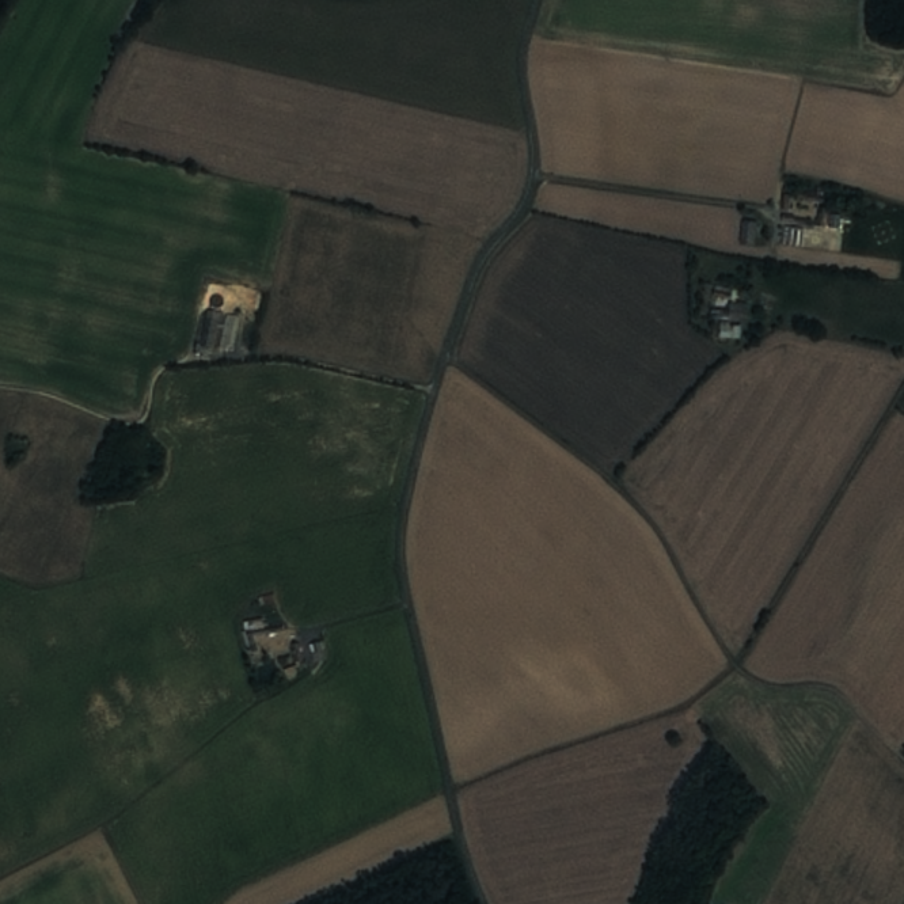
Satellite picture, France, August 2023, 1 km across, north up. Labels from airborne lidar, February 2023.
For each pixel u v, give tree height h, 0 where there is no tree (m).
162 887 0
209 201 0
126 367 0
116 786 0
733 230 0
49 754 0
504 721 0
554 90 0
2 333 0
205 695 0
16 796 0
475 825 0
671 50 0
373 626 0
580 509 0
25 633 0
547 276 0
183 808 0
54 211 0
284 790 0
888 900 0
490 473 0
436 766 0
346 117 0
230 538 0
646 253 0
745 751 0
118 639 0
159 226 0
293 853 0
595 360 0
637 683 0
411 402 0
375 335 0
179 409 0
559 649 0
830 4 0
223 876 0
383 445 0
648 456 0
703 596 0
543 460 0
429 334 0
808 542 0
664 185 0
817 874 0
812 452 0
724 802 22
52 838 0
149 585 0
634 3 0
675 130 0
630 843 0
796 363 0
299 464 0
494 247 0
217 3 0
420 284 0
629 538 0
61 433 0
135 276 0
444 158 0
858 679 0
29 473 0
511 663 0
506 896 0
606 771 0
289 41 0
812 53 0
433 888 16
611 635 0
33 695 0
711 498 0
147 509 0
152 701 0
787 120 0
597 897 0
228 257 0
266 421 0
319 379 0
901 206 0
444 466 0
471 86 0
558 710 0
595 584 0
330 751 0
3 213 0
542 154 0
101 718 0
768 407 0
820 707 0
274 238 0
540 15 0
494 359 0
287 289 0
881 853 0
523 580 0
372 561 0
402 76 0
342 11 0
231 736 0
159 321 0
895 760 0
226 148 0
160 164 8
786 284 0
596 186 0
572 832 0
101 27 0
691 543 0
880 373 0
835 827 0
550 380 0
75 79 0
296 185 0
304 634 0
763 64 0
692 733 0
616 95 0
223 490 0
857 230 0
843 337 0
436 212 0
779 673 0
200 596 0
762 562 0
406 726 0
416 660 0
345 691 0
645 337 0
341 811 0
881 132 0
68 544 0
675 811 19
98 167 0
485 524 0
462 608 0
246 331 0
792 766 0
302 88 0
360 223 0
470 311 0
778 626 0
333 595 0
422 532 0
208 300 0
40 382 0
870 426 0
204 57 0
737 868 0
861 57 0
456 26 0
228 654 0
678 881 15
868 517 0
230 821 0
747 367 0
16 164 0
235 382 0
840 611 0
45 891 0
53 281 0
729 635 0
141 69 0
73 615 0
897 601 0
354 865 0
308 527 0
